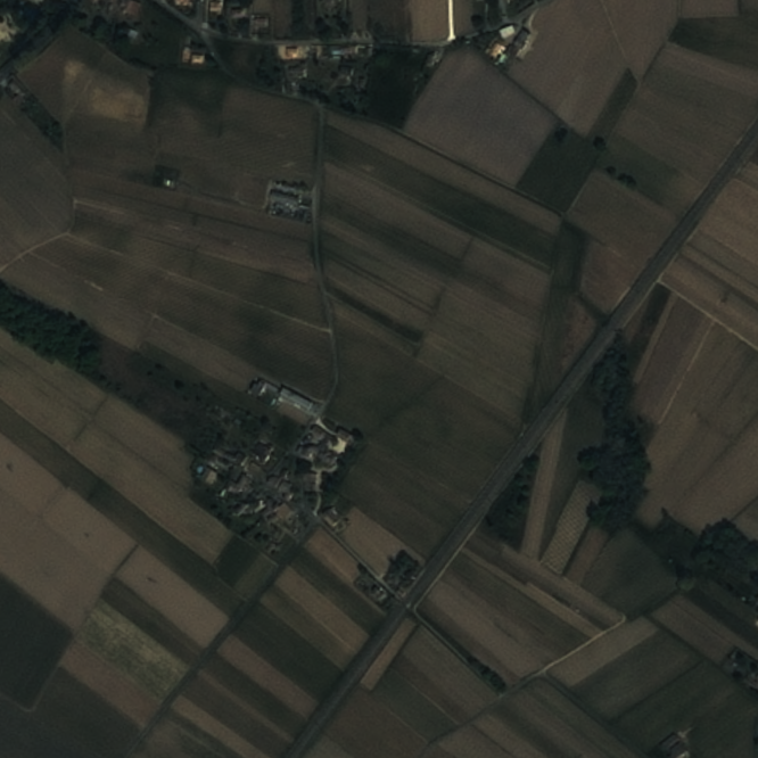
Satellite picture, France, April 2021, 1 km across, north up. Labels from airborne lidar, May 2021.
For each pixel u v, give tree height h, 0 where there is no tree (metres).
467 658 0
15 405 0
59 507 0
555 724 0
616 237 0
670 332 0
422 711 0
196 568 0
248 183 0
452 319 0
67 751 0
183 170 0
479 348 0
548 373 0
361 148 0
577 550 0
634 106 0
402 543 0
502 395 0
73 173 0
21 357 0
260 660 0
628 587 0
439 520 0
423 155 0
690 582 25
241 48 0
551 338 0
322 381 0
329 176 0
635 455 16
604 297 0
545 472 0
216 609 0
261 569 0
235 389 0
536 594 0
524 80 0
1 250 0
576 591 0
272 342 0
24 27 15
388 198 0
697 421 0
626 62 0
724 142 0
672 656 0
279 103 0
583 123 0
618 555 0
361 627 0
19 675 0
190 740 0
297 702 0
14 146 0
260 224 0
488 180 0
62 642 0
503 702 0
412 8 0
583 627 0
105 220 0
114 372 0
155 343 0
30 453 0
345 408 0
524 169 0
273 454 7
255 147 0
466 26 0
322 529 0
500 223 0
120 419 0
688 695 0
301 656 0
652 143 0
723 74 0
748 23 0
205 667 0
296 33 11
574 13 0
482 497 0
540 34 0
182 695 0
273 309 0
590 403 0
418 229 0
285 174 0
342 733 0
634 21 0
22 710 0
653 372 0
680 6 0
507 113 0
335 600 0
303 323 0
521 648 0
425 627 0
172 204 0
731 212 0
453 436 0
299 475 10
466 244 0
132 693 0
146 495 0
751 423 0
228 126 0
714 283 0
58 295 0
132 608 0
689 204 0
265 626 0
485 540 0
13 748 0
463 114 0
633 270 0
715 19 0
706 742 0
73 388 0
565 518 0
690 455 0
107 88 0
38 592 0
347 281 0
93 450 0
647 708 0
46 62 0
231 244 0
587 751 0
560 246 0
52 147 9
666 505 0
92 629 0
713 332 0
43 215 0
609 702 0
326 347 0
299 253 0
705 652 0
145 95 0
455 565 0
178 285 0
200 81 0
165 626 0
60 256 0
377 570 0
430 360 0
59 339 19
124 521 0
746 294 0
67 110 0
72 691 0
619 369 18
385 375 0
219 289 0
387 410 0
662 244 0
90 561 0
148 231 0
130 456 0
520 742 0
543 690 0
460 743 0
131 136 0
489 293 0
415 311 0
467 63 0
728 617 0
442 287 0
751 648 0
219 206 0
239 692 0
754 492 0
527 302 0
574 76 0
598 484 16
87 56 0
